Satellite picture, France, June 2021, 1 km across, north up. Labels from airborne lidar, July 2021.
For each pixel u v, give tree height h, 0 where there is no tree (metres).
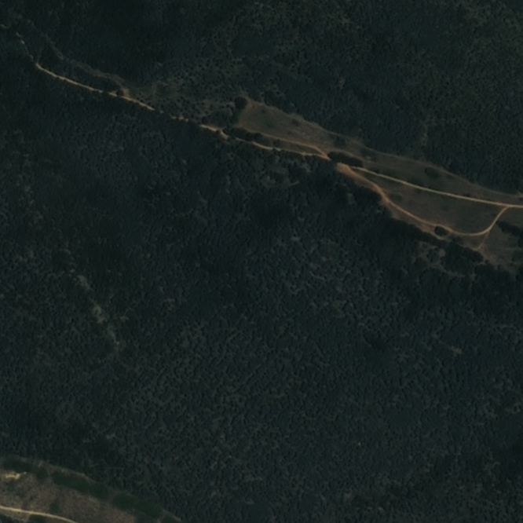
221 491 8
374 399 7
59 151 10
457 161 10
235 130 14
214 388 11
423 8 7
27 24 10
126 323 6
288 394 11
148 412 10
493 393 12
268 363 11
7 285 11
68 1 11
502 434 9
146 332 11
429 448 11
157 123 14
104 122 11
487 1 7
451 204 0
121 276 10
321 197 13
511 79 9
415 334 13
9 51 16
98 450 10
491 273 15
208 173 12
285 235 12
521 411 11
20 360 7
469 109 7
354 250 11
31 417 8
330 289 12
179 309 8
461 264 15
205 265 12
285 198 9
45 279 10
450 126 10
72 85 10
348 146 0
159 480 8
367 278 13
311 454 9
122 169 12
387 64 7
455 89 10
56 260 10
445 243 14
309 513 9
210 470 10
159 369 11
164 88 6
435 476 10
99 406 8
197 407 12
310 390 11
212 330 8
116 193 11
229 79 9
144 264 7
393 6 9
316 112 11
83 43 8
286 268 13
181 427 10
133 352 11
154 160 13
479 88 7
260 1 9
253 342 13
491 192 0
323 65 11
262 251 9
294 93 15
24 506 0
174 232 7
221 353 10
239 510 9
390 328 16
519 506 10
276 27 8
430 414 13
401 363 11
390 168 0
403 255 12
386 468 10
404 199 0
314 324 13
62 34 8
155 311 9
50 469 0
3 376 6
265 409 11
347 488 9
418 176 0
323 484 9
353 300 15
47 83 7
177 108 10
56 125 9
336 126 11
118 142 13
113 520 0
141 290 9
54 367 9
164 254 9
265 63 8
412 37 10
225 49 9
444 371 11
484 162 8
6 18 10
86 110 9
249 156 16
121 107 11
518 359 13
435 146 9
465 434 12
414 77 11
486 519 11
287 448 12
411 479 8
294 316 11
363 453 8
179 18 10
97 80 8
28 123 8
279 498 8
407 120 9
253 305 11
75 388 7
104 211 9
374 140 9
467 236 0
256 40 10
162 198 11
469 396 13
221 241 12
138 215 9
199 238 11
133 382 7
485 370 14
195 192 12
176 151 14
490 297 16
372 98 12
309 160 11
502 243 0
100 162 12
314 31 8
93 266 9
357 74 10
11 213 8
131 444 9
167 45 9
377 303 15
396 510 11
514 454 10
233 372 12
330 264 14
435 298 14
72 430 8
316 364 10
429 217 0
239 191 10
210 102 0
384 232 13
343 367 10
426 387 15
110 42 13
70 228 10
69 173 8
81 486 0
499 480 6
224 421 9
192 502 9
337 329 10
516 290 11
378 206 11
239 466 10
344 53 10
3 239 8
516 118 12
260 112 0
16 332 10
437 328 15
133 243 7
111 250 9
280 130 0
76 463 8
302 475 10
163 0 11
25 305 9
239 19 10
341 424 10
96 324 8
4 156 8
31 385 7
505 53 8
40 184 8
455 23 9
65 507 0
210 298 12
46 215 9
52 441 8
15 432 9
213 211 12
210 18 9
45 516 0
